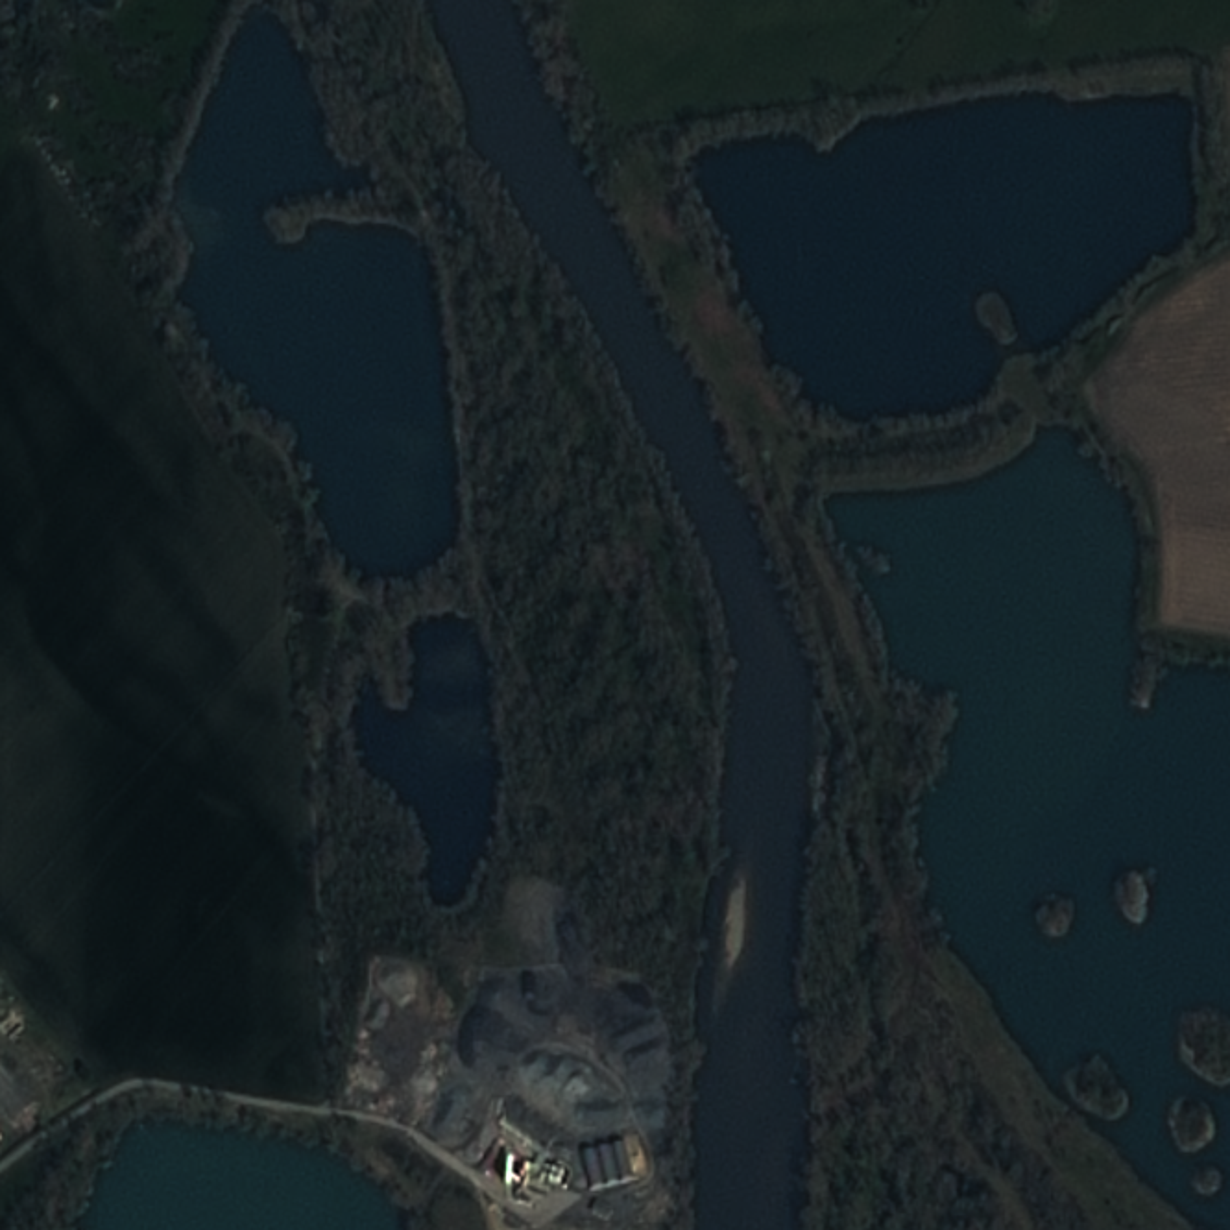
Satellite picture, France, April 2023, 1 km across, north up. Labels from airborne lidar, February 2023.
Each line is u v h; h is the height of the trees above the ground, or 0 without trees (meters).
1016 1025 0
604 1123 0
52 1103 0
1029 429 25
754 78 0
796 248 0
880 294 0
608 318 0
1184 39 0
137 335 0
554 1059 0
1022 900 0
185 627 0
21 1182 0
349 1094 0
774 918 0
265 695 0
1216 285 0
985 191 0
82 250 0
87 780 0
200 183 0
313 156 0
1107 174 0
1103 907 0
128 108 0
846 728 6
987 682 0
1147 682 12
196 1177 0
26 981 0
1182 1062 0
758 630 0
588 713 19
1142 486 0
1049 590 0
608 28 0
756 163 0
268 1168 0
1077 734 0
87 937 0
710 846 26
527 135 0
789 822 0
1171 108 0
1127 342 0
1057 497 0
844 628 0
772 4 0
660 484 20
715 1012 0
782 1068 0
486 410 17
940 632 0
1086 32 0
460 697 0
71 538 0
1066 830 0
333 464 0
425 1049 0
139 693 0
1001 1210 27
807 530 22
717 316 0
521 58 0
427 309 0
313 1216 0
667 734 18
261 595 0
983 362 0
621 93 0
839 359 0
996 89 15
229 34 21
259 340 0
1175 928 0
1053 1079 0
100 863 0
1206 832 0
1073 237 0
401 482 0
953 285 0
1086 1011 0
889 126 0
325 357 0
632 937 19
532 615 11
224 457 12
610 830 16
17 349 0
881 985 22
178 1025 0
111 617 0
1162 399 0
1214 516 0
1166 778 0
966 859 0
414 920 16
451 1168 0
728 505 0
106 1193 0
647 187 0
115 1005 0
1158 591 0
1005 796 0
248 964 0
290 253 0
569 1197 0
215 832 0
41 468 0
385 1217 0
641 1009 0
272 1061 0
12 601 0
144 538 0
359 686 17
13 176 0
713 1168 0
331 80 24
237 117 0
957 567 0
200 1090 0
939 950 13
